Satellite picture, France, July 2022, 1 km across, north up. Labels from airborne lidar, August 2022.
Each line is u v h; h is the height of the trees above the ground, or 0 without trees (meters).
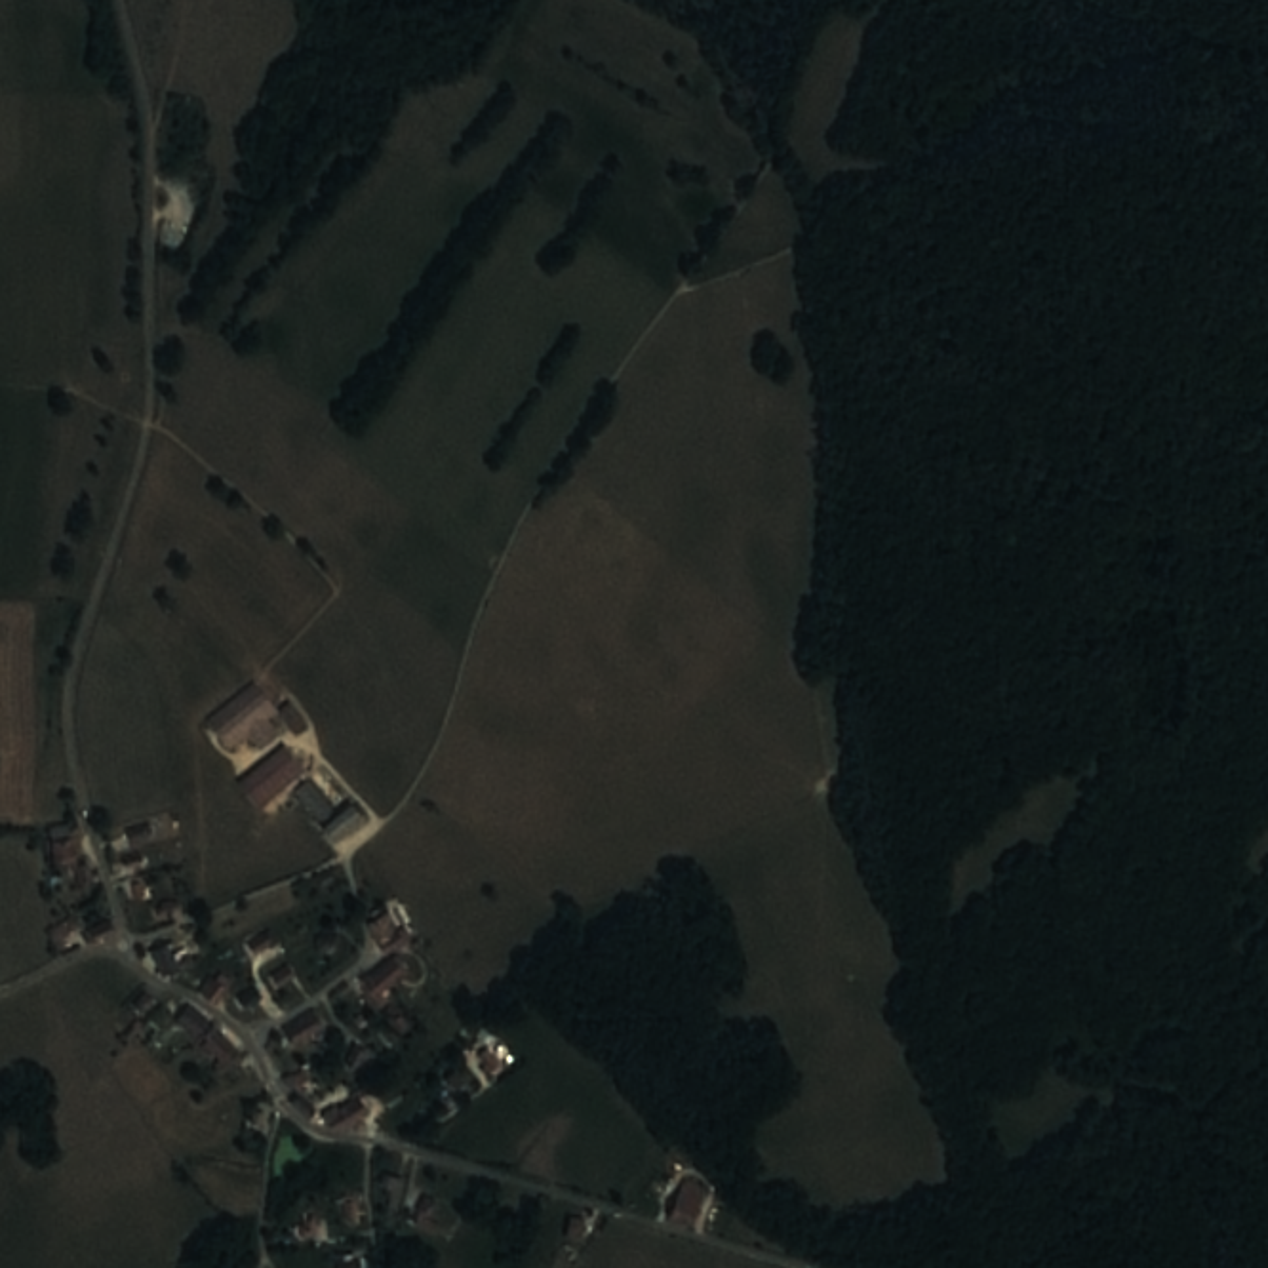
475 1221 12
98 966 0
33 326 0
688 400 0
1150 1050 19
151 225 0
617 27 0
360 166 17
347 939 0
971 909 12
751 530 0
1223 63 20
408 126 0
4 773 0
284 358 0
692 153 0
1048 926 18
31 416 0
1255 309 17
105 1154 0
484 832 0
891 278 17
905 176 20
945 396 15
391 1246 9
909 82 11
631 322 0
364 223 0
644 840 0
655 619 0
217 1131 0
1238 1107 19
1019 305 18
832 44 0
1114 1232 14
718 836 0
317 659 0
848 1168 0
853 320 20
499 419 0
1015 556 19
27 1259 0
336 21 16
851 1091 0
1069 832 14
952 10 16
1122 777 19
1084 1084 10
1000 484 18
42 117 0
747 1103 24
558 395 0
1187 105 25
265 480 0
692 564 0
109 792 0
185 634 0
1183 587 20
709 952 21
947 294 21
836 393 19
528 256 0
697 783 0
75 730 0
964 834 22
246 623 0
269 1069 0
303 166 22
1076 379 21
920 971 17
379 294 0
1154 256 19
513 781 0
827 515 16
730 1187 20
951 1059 18
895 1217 20
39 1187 0
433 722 0
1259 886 8
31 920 0
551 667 0
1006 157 19
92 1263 0
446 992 0
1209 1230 13
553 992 20
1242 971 15
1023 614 21
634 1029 22
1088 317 19
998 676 20
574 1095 0
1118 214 18
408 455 0
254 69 0
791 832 0
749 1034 26
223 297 0
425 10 15
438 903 0
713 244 15
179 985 0
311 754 0
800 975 0
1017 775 19
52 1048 0
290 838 0
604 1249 0
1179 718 20
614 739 0
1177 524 20
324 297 0
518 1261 7
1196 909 16
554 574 0
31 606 0
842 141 17
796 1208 20
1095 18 24
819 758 0
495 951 0
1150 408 19
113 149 0
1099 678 20
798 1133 0
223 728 0
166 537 0
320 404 0
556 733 0
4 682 0
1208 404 18
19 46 0
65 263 0
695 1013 24
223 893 0
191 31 0
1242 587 17
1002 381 18
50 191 0
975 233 19
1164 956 19
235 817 0
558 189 0
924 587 13
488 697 0
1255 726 14
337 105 15
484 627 0
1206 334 17
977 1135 20
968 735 15
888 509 15
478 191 0
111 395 0
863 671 19
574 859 0
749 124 14
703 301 0
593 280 0
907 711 16
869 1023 0
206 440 0
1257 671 16
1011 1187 17
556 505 0
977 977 19
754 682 0
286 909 0
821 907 0
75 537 14
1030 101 23
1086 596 18
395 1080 7
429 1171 10
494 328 0
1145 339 19
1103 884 19
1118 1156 23
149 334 0
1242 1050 19
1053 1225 20
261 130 13
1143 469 21
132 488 0
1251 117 19
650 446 0
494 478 0
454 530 0
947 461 18
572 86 0
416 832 0
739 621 0
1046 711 19
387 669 0
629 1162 0
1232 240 17
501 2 11
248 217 15
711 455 0
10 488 0
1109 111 22
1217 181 20
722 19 21
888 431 16
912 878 18
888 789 19
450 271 17
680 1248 0
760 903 0
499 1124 0
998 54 15
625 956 21
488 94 0
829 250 18
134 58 0
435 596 0
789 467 0
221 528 0
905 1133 0
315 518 0
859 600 20
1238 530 18
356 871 0
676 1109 24
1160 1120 23
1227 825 14
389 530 0
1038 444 24
